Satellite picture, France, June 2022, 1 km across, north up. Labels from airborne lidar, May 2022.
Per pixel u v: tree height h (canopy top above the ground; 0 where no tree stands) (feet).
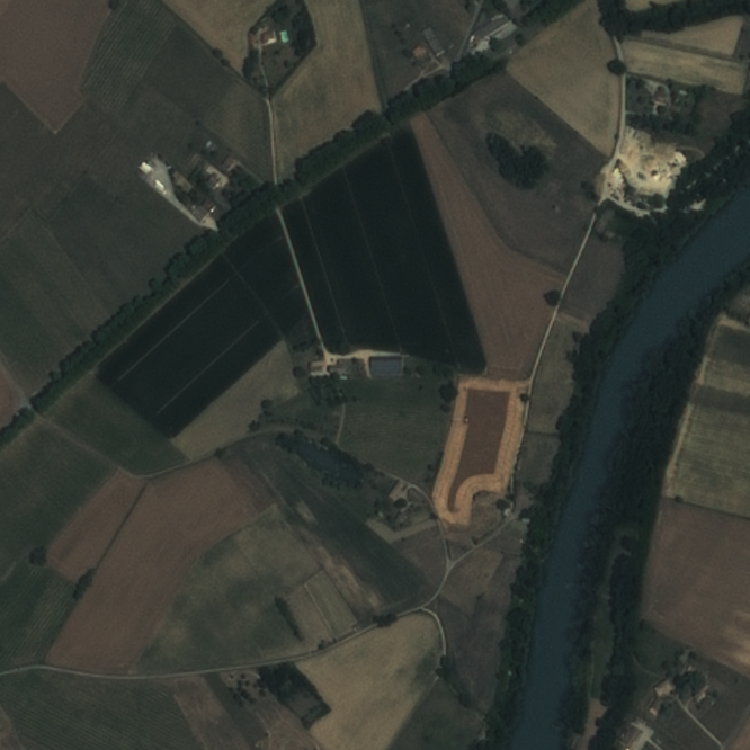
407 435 0
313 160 72
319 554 0
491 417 0
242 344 0
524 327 0
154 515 0
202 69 0
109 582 0
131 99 0
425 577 0
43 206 0
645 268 30
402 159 0
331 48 0
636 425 113
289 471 0
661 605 0
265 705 0
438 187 0
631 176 0
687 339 52
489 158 0
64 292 0
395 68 0
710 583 0
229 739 0
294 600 0
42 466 0
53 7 0
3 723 0
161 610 0
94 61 0
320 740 0
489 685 0
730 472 0
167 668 0
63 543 0
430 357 0
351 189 0
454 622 0
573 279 0
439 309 0
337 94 0
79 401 0
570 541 0
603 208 23
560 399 0
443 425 0
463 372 0
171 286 71
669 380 84
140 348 0
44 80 0
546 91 0
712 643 0
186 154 0
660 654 0
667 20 29
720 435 0
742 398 0
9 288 0
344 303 0
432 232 0
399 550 0
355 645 0
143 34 0
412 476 0
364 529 0
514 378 0
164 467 0
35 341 0
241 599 0
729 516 0
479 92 0
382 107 0
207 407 0
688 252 0
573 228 0
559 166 0
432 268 0
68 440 0
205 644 0
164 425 0
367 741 0
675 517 0
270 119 0
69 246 0
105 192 0
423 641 0
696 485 0
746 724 0
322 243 0
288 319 0
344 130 0
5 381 0
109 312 0
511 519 0
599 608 98
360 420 0
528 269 0
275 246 0
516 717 43
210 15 0
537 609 0
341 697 0
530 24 73
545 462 0
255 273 0
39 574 0
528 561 22
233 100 0
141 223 0
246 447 0
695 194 37
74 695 0
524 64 0
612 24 67
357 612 0
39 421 0
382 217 0
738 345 0
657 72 0
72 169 0
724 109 0
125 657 0
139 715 0
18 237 0
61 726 0
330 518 0
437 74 0
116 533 0
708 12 31
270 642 0
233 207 43
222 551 0
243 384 0
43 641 0
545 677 0
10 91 0
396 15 0
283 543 0
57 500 0
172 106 0
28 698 0
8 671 0
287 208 0
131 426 0
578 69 0
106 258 0
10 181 0
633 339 0
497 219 0
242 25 0
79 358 80
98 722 0
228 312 0
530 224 0
